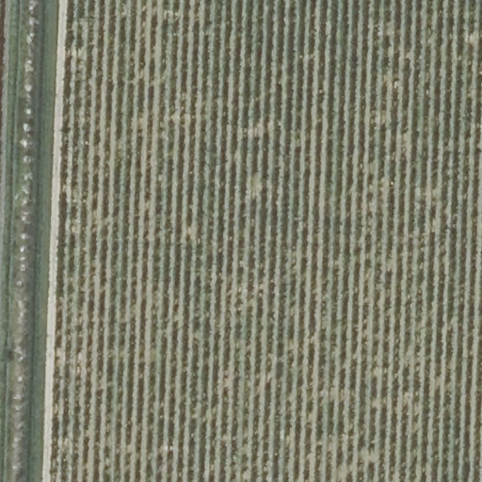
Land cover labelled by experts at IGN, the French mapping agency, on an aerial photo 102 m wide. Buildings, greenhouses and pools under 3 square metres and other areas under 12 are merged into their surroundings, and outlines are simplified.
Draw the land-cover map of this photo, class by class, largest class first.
<instances>
[{"label":"vineyard","instance_id":"1","mask_svg":"<svg viewBox=\"0 0 482 482\"><path fill-rule=\"evenodd\" d=\"M0 482H482V0H0Z\"/></svg>","mask_w":482,"mask_h":482}]
</instances>
